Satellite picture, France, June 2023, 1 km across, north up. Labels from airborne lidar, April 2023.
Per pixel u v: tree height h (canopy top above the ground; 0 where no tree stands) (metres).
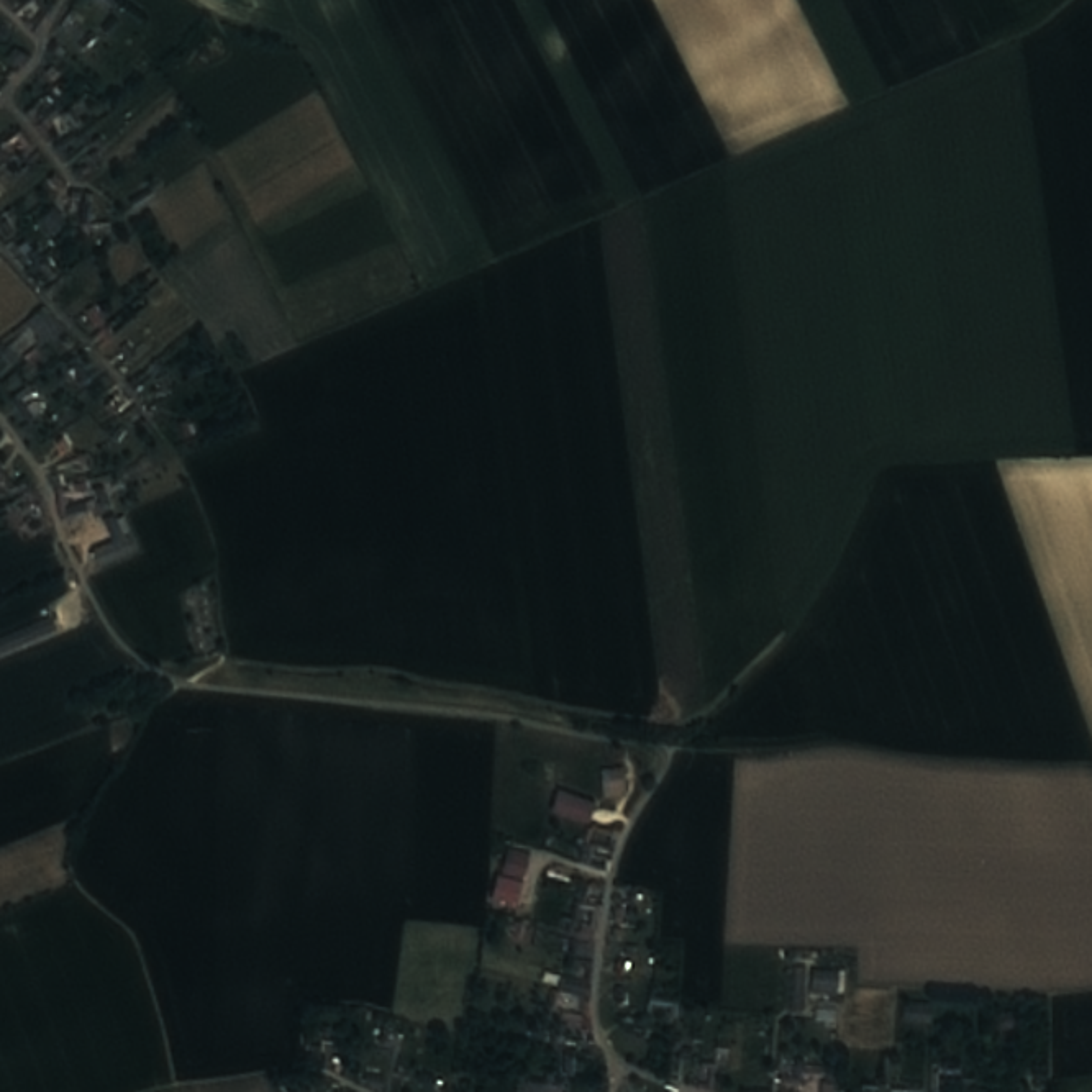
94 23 0
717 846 0
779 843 0
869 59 0
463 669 0
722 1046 0
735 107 0
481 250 0
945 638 0
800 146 0
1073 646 0
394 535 0
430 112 0
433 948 0
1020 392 0
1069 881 0
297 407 0
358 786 0
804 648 0
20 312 0
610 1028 0
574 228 0
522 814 0
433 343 0
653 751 0
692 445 0
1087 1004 0
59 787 0
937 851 0
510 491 0
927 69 0
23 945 0
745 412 0
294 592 0
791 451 0
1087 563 0
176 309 0
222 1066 0
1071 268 0
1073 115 0
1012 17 0
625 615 0
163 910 0
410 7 0
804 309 0
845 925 0
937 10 0
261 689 0
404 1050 0
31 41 0
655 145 0
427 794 0
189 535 0
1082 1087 0
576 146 0
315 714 0
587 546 0
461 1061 9
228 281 0
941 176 0
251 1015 0
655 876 0
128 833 0
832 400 0
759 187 0
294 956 0
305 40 0
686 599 0
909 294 0
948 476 0
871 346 0
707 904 0
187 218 0
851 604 0
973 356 0
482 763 0
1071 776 0
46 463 0
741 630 0
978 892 0
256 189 0
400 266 0
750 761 0
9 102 0
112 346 0
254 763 0
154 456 0
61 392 6
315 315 0
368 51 0
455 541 0
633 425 0
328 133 0
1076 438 0
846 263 0
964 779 0
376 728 0
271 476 0
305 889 0
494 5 0
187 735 0
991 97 0
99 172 0
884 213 0
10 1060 0
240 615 0
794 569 0
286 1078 10
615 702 0
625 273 0
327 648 0
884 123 0
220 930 0
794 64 0
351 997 0
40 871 0
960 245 0
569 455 0
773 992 0
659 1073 13
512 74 0
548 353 0
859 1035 0
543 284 0
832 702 0
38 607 0
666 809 0
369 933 0
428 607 0
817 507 0
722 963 0
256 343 0
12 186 0
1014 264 0
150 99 0
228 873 0
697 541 0
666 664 0
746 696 0
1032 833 0
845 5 0
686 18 0
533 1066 8
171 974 0
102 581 0
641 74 0
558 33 0
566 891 13
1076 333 0
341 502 0
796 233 0
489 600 0
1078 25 0
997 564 0
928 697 0
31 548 0
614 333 0
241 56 0
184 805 0
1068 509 0
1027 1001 10
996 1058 18
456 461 0
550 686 0
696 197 0
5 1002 0
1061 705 0
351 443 0
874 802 0
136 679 10
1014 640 0
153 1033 0
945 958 0
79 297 0
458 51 0
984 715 0
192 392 0
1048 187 0
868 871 0
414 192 0
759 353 0
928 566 0
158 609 0
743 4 0
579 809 0
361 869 0
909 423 0
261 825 0
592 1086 10
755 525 0
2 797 0
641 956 0
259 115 0
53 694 0
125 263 0
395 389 0
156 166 0
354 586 0
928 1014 0
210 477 0
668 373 0
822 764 0
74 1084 0
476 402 0
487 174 0
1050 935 0
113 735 0
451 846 0
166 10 0
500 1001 13
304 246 0
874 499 0
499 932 12
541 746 0
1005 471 0
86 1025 0
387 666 0
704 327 0
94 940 0
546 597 0
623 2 0
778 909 0
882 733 0
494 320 0
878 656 0
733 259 0
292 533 0
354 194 0
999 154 0
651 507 0
